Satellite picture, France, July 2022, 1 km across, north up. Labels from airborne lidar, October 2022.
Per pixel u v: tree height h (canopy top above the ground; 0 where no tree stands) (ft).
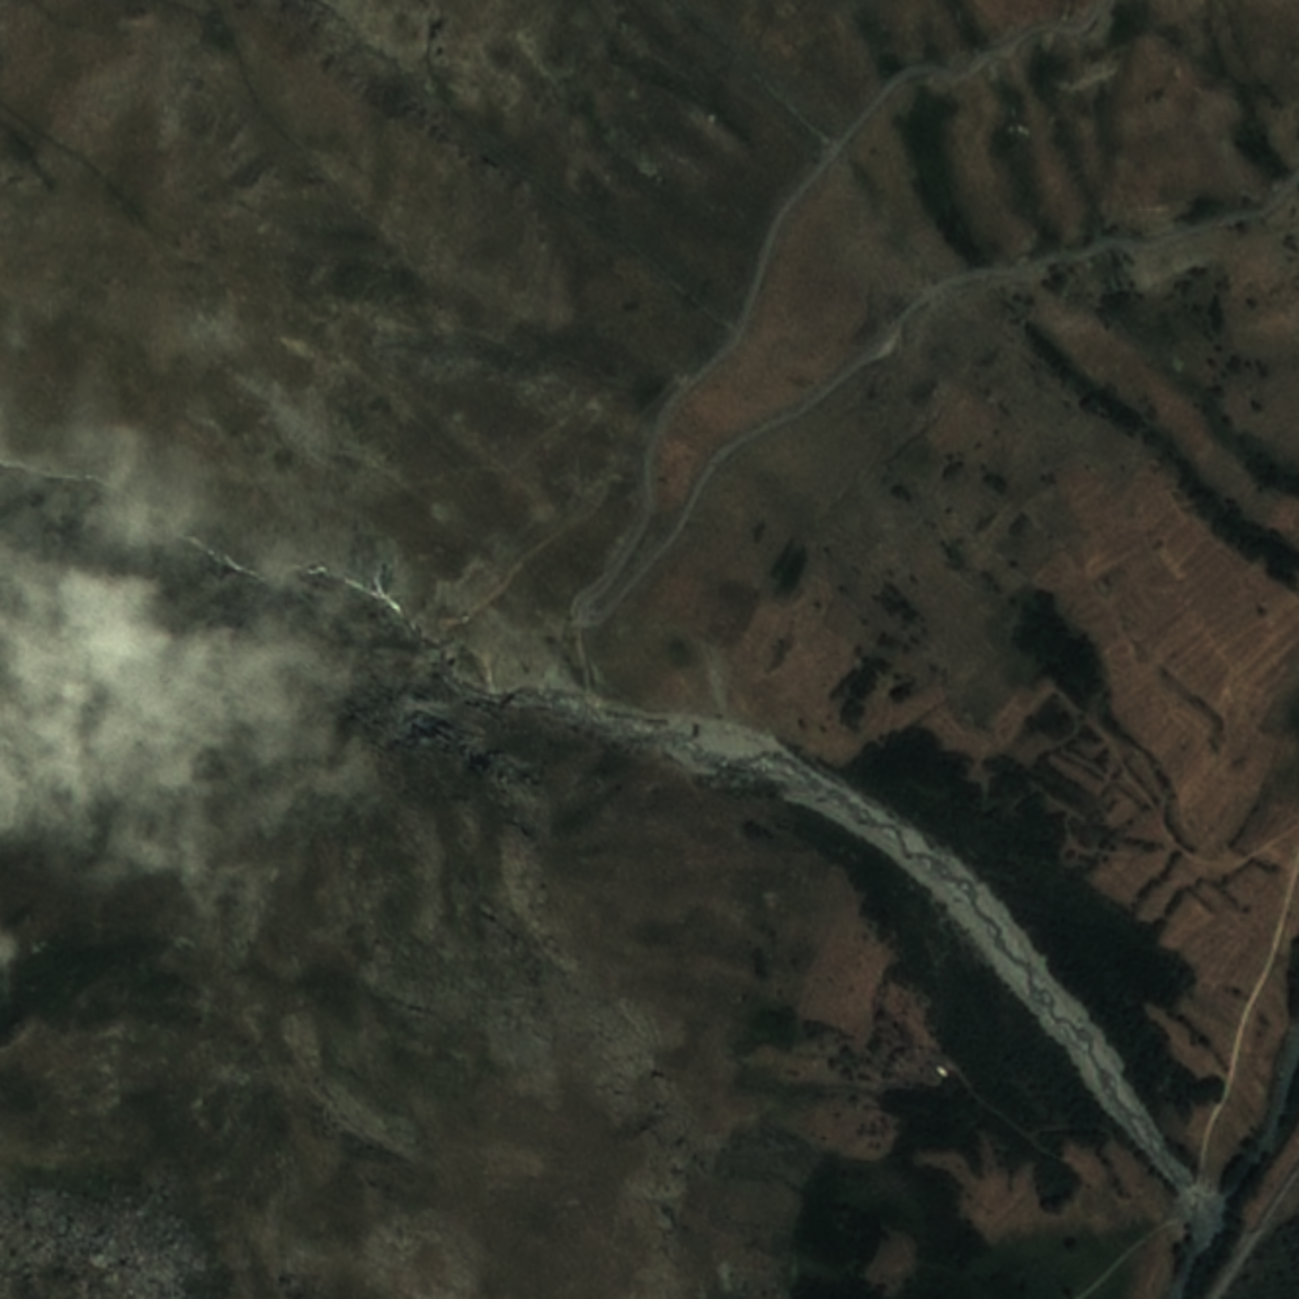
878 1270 0
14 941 0
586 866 0
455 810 0
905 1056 17
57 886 0
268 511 0
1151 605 0
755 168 0
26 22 0
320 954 0
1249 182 0
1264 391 0
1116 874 0
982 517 0
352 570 0
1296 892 0
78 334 0
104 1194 0
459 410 0
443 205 0
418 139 0
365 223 0
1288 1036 0
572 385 0
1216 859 0
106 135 0
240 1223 0
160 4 0
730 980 0
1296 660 0
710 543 0
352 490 0
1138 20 0
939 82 0
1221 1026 0
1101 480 0
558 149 0
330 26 21
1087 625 0
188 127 0
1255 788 0
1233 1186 34
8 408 0
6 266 0
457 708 0
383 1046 0
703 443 0
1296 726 0
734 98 0
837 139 0
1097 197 0
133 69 0
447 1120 0
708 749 0
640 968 0
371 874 0
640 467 0
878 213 0
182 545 0
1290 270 0
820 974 0
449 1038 0
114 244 0
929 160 0
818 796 0
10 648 0
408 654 0
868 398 0
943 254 0
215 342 0
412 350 0
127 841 0
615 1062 0
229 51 0
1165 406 0
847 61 0
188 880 0
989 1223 0
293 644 0
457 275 0
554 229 0
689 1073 0
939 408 0
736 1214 0
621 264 0
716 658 0
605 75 0
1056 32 0
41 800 0
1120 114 0
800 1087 0
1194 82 0
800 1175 0
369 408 0
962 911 0
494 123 0
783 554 0
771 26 0
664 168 0
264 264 0
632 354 0
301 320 0
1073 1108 23
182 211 0
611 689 0
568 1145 0
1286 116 0
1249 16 0
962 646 0
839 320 0
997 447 0
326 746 0
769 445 0
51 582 0
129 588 0
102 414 0
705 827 0
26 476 0
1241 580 0
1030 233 0
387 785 0
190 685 0
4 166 0
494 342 0
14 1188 0
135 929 0
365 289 0
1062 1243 0
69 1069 0
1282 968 0
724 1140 0
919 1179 0
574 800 0
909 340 0
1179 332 0
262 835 0
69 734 0
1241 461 0
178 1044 0
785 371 0
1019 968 0
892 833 0
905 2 0
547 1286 0
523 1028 0
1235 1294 0
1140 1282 0
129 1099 0
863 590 0
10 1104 0
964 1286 0
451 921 0
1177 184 0
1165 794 0
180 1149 0
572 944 0
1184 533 0
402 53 0
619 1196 0
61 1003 0
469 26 0
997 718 0
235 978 0
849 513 0
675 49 0
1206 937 0
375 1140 0
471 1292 0
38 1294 19
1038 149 0
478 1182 0
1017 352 0
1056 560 0
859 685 18
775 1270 0
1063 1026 0
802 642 0
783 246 0
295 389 0
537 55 0
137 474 0
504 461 0
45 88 0
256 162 0
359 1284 0
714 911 0
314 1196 0
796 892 0
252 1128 0
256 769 0
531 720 0
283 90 0
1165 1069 21
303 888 0
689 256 0
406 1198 0
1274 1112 0
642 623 0
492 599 0
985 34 0
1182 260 0
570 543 0
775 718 0
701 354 0
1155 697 0
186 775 0
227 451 0
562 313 0
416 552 0
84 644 0
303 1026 0
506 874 0
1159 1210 0
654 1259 0
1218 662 0
